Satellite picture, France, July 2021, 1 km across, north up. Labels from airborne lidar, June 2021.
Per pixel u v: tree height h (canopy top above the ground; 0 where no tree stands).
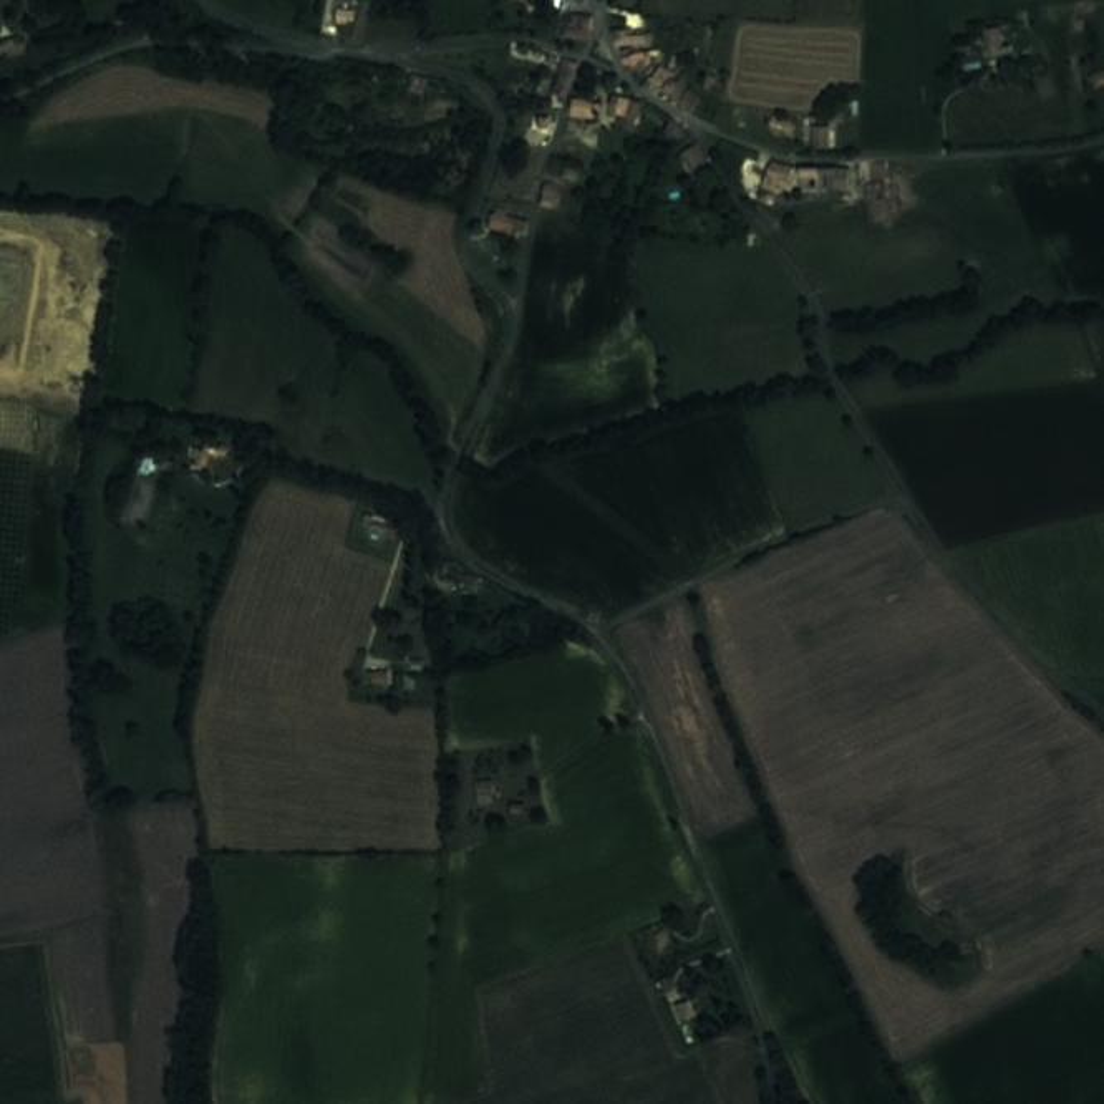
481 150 7
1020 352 0
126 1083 0
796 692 0
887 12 0
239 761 0
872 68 0
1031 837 0
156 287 0
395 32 0
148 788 0
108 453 0
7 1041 0
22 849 0
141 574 0
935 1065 0
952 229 0
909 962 9
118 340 0
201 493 0
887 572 0
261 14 0
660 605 0
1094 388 0
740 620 0
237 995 0
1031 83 7
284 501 0
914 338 0
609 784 0
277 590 0
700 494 0
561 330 0
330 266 0
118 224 17
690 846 0
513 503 0
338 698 0
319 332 0
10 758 0
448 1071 0
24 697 0
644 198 10
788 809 0
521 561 0
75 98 0
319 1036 0
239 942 0
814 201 0
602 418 0
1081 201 0
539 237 0
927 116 0
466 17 0
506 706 0
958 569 0
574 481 0
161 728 0
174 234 0
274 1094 0
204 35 22
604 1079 0
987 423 0
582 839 0
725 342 0
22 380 0
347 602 0
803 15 0
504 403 0
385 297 0
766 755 0
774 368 0
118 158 0
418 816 0
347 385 0
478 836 0
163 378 0
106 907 0
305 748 0
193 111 0
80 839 0
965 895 0
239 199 0
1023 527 0
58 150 0
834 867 0
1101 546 0
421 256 0
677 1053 0
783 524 0
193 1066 12
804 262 0
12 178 0
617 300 0
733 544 0
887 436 0
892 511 0
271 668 0
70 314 0
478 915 0
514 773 0
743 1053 0
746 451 0
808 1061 0
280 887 0
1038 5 0
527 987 0
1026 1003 0
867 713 0
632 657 0
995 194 0
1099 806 0
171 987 0
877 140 0
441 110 0
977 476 0
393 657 0
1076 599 0
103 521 0
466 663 14
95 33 18
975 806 0
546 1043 0
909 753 0
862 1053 0
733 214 13
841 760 0
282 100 18
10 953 0
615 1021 0
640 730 0
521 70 0
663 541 0
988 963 0
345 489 19
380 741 0
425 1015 0
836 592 0
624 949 0
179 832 0
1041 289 0
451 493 0
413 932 0
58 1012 0
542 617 15
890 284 0
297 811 0
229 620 0
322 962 0
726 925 0
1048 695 0
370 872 0
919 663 0
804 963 0
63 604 0
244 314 0
